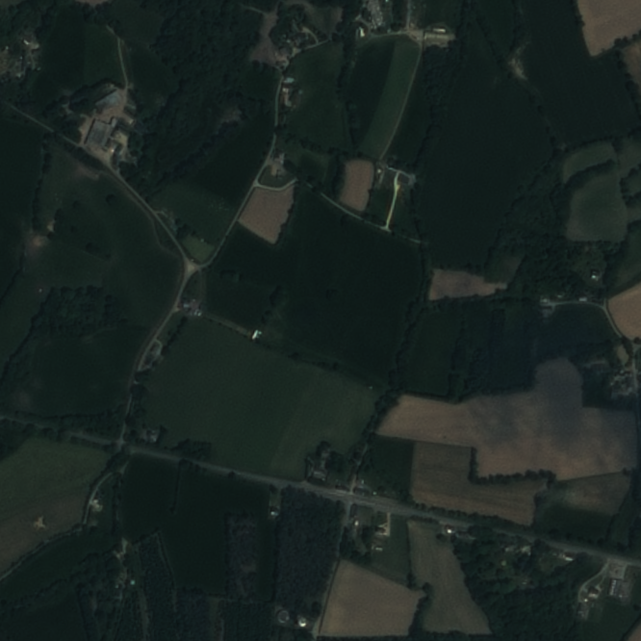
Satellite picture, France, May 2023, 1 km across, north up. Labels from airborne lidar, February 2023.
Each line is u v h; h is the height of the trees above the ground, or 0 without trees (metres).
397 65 0
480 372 14
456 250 0
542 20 0
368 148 0
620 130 0
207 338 0
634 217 0
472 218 0
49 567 0
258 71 16
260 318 0
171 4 14
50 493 0
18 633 0
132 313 0
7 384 13
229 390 0
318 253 0
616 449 0
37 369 0
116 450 15
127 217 0
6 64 0
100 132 0
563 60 0
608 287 12
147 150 13
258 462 0
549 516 0
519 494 0
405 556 0
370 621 0
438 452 0
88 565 9
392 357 0
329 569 16
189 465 11
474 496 0
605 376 9
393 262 0
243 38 12
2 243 0
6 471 0
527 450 0
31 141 0
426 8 0
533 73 0
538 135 0
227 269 0
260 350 0
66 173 0
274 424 0
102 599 13
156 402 0
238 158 0
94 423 14
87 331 16
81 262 0
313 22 0
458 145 0
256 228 0
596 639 0
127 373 0
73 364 0
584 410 0
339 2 12
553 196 8
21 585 0
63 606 0
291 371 0
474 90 0
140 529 0
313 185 12
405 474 0
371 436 10
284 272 0
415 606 0
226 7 15
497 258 14
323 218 0
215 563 0
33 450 0
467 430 0
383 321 0
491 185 0
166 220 0
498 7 0
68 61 0
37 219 8
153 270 0
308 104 0
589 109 0
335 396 0
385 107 0
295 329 0
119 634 7
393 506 0
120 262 0
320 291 0
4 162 0
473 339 0
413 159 0
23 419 7
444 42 0
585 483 0
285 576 16
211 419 0
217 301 0
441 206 0
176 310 0
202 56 8
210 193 0
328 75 0
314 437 0
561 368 0
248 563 16
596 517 0
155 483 0
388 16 0
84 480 0
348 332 0
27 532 0
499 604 21
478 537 16
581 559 19
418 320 15
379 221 9
